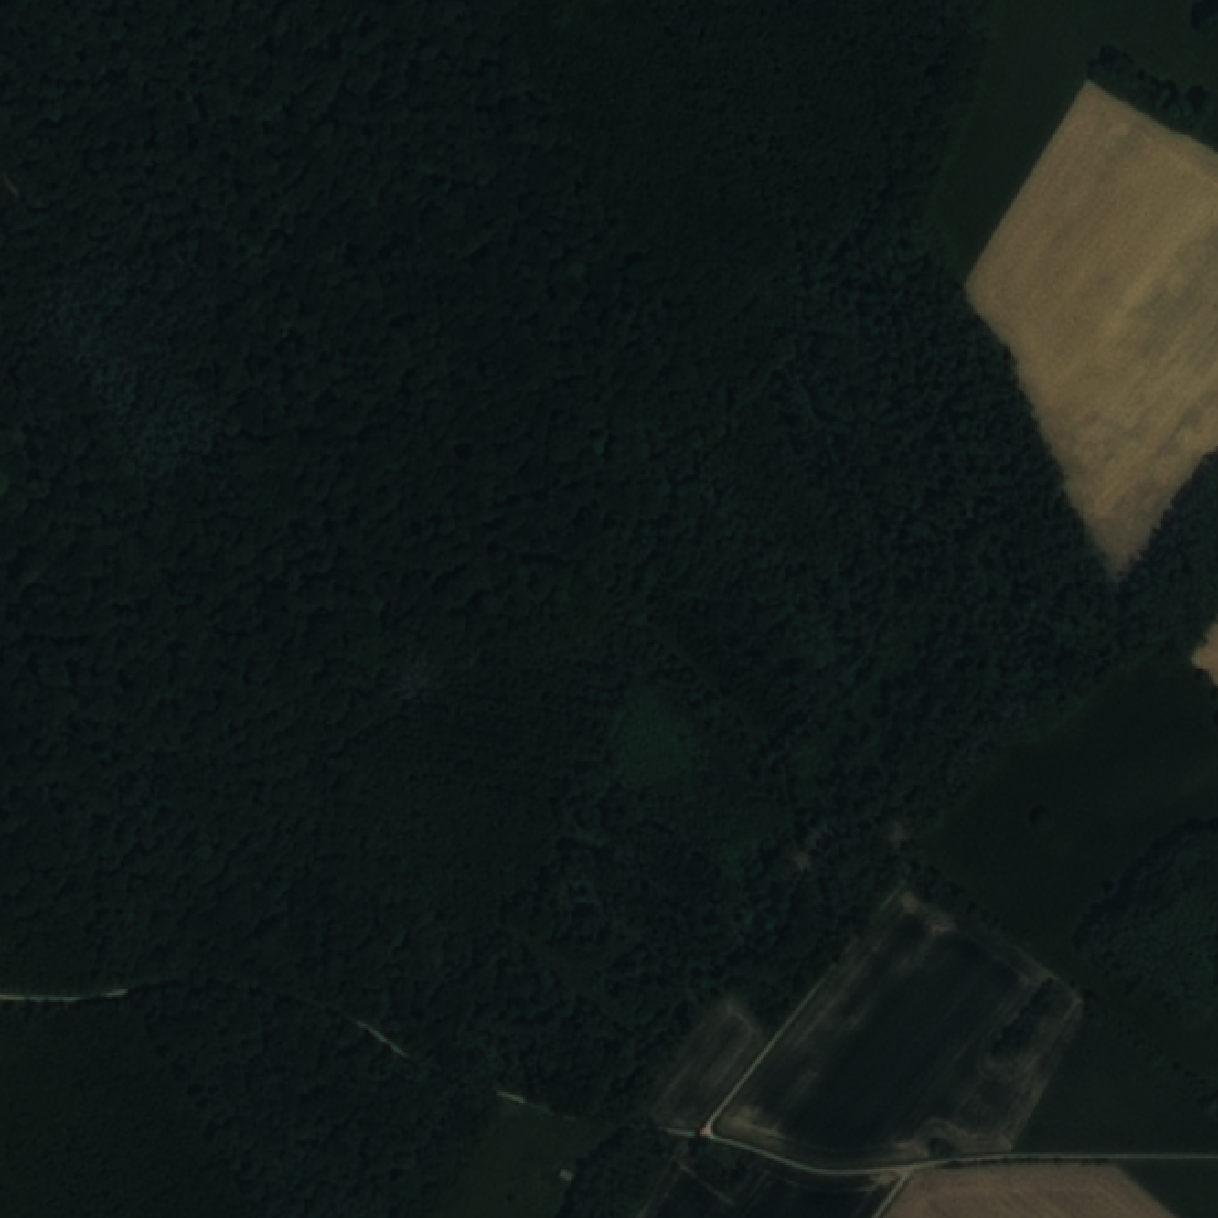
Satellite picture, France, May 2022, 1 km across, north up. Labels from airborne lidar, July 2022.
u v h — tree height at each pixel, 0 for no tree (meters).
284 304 31
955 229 0
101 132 30
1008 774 0
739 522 19
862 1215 0
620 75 14
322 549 25
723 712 23
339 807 26
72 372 27
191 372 22
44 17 25
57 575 29
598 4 17
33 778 30
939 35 21
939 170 21
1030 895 0
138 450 25
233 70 29
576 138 18
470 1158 15
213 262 28
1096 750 0
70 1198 10
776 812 16
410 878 16
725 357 21
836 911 24
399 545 25
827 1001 0
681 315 15
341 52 25
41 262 23
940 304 32
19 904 30
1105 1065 0
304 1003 18
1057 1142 0
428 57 30
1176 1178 0
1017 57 0
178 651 22
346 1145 18
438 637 26
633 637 17
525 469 29
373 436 28
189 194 27
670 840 24
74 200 22
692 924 31
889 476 29
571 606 17
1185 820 0
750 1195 0
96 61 27
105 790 23
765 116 20
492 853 20
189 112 31
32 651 25
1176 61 0
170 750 19
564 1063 24
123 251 23
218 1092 24
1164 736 0
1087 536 24
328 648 27
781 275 16
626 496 27
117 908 21
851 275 27
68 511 23
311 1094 13
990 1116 0
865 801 26
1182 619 12
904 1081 0
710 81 20
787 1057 0
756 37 22
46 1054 13
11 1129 13
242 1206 15
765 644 29
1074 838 0
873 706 7
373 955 24
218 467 28
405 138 28
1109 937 23
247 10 32
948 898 16
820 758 6
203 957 27
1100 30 0
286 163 32
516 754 21
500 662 18
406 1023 26
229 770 26
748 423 13
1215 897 19
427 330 26
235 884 28
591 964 28
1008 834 0
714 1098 0
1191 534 26
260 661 26
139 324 17
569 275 32
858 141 20
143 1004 20
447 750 20
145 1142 15
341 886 23
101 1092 14
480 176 30
